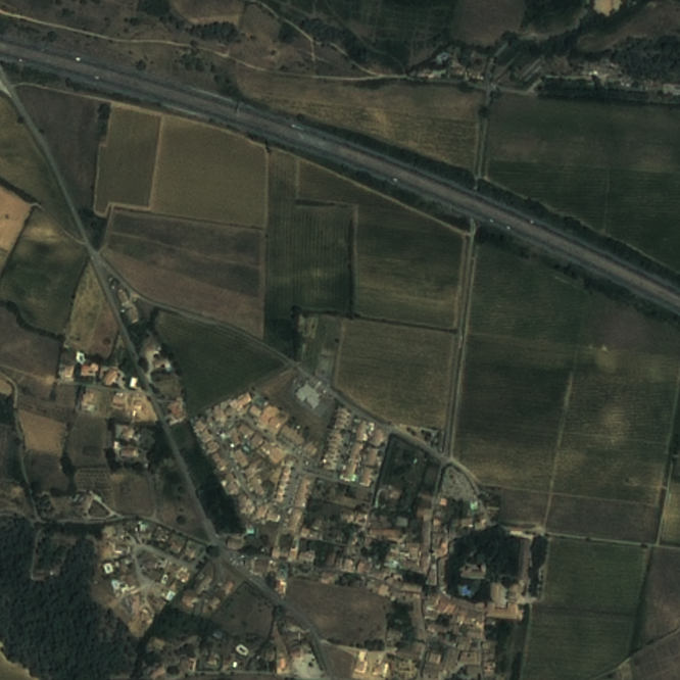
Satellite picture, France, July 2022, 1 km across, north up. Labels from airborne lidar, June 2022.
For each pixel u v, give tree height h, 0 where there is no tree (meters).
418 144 0
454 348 0
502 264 0
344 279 0
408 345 0
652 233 0
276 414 0
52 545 16
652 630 0
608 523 0
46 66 0
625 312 0
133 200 0
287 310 0
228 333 0
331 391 0
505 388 0
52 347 0
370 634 0
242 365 0
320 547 11
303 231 0
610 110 0
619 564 0
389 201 0
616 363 0
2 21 10
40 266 0
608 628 0
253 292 0
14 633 12
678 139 0
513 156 0
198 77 0
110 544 0
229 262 0
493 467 0
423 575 6
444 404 0
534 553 11
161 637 7
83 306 0
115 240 0
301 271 0
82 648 13
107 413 0
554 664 0
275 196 0
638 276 0
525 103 0
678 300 0
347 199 0
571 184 0
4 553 16
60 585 15
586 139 0
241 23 0
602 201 0
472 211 0
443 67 6
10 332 0
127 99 7
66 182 0
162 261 0
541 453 0
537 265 0
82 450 0
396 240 0
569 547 0
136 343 8
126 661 17
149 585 0
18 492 0
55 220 0
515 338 0
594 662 0
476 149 0
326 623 0
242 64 0
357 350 0
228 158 0
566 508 0
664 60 10
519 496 0
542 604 0
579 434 0
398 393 0
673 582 0
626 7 11
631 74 10
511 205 10
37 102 0
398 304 0
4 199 0
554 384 0
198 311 0
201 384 0
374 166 0
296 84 0
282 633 7
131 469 11
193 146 0
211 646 12
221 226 0
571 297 0
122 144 0
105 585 0
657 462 0
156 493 0
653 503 0
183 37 0
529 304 0
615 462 0
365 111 0
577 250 0
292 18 7
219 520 12
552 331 0
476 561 14
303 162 0
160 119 0
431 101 0
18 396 0
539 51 9
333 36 12
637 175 0
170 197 0
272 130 0
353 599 0
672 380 0
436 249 0
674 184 0
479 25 0
